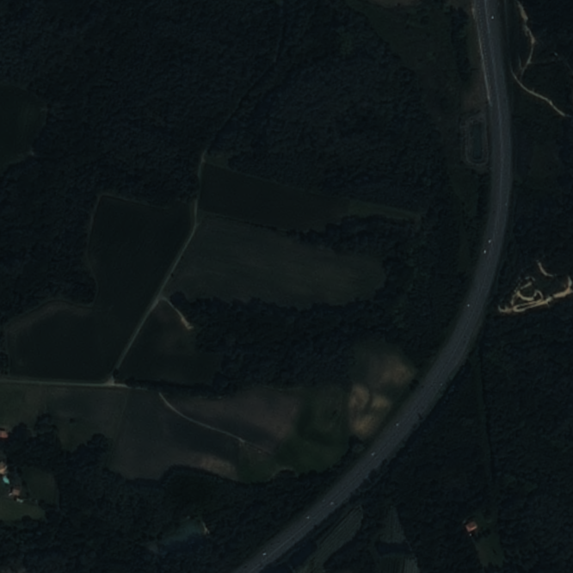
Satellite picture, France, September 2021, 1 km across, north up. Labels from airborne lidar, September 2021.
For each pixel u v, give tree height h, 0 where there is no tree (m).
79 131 27
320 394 0
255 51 11
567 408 19
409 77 10
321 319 22
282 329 21
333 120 12
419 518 19
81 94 24
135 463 0
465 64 14
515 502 23
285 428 0
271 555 0
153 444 0
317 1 21
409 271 27
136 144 23
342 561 27
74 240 19
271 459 0
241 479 0
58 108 17
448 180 11
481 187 6
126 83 17
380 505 19
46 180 25
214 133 12
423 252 15
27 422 0
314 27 20
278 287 0
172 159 20
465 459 25
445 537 13
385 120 22
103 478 20
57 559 27
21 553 17
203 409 0
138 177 22
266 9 14
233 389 22
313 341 26
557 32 24
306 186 13
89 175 21
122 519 25
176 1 22
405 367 0
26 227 25
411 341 19
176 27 21
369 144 27
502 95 0
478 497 18
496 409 14
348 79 29
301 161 16
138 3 19
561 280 8
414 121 17
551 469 21
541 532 25
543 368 17
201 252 0
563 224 13
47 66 21
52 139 25
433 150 15
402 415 0
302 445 0
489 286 0
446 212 21
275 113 28
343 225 10
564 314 14
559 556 22
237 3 9
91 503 28
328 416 0
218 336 10
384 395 0
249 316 27
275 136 27
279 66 15
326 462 0
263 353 19
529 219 7
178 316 0
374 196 14
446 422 22
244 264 0
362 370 0
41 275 26
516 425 18
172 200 16
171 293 0
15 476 11
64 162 27
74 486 29
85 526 31
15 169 15
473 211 0
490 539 0
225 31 16
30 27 22
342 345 25
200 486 7
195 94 20
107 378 0
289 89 27
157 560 6
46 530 20
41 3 22
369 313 25
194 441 0
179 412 0
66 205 17
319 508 0
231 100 23
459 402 20
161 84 18
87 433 0
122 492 20
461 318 0
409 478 21
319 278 0
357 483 0
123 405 0
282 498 19
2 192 11
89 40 23
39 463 20
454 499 14
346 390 16
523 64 0
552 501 27
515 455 17
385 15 0
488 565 0
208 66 18
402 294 32
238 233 0
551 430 23
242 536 14
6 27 21
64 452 6
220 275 0
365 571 24
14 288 30
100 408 0
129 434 0
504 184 0
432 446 22
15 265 28
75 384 0
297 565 19
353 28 14
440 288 15
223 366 11
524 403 18
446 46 0
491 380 15
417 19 0
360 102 29
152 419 0
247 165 16
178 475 15
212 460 0
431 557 26
